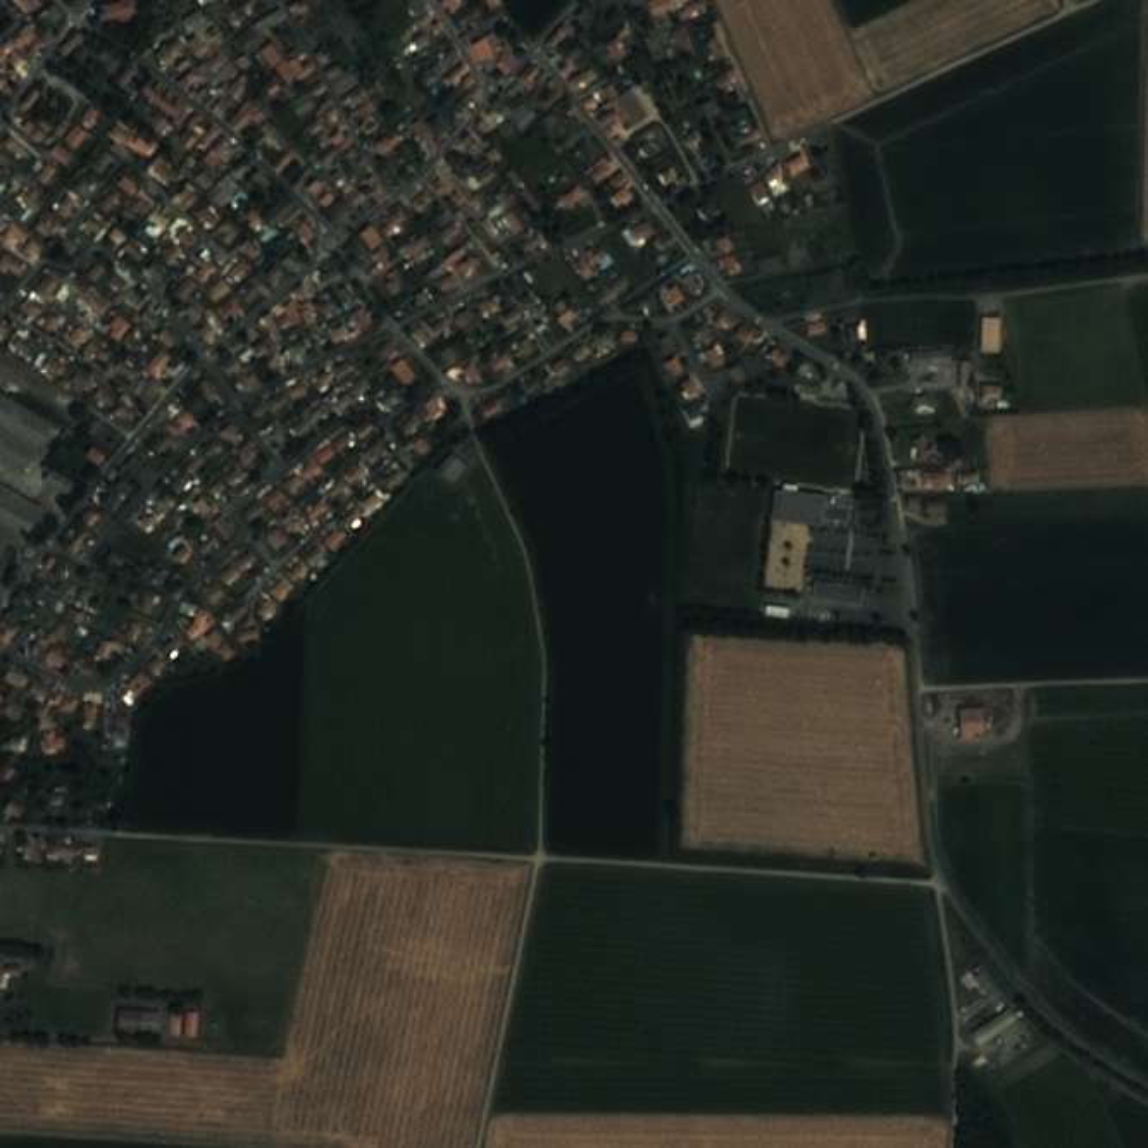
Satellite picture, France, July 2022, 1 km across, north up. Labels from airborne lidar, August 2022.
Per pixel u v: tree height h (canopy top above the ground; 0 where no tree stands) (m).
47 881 0
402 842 0
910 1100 0
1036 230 0
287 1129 0
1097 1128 0
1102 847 0
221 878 0
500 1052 0
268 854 0
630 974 0
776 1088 0
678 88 5
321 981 0
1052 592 0
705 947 0
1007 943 0
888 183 0
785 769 0
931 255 0
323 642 0
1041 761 0
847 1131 0
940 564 0
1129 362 0
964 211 0
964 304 0
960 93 0
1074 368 0
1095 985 0
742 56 0
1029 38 0
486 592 0
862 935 0
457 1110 0
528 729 0
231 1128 0
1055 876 0
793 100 0
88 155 11
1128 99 0
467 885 0
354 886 0
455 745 0
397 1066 0
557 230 10
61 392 0
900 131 0
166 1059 0
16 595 8
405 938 0
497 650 0
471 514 0
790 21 0
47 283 0
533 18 0
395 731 0
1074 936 0
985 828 0
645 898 0
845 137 0
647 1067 0
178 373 0
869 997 0
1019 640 0
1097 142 0
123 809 7
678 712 0
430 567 0
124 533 0
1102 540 0
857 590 0
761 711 0
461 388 0
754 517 0
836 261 0
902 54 0
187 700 0
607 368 9
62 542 8
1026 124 0
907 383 0
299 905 0
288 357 0
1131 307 0
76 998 0
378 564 0
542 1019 0
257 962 0
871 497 14
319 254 0
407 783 0
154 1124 0
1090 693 0
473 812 0
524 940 0
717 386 0
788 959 0
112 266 12
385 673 0
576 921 0
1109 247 0
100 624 0
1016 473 0
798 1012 0
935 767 0
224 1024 0
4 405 0
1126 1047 0
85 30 9
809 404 0
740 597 0
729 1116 0
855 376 0
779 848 0
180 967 0
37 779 7
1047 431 0
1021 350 0
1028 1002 10
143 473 0
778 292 0
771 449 0
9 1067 0
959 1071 7
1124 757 0
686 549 0
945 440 11
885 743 0
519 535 0
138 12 11
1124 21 0
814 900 0
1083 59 0
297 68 0
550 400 13
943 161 0
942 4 0
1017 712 0
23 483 0
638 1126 0
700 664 0
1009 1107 0
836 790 0
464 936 0
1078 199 0
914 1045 0
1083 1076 0
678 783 0
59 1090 0
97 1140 0
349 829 0
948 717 0
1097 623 0
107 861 0
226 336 0
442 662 0
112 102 16
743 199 0
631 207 7
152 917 0
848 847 0
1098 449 0
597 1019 0
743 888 0
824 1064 0
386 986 0
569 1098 0
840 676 0
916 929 0
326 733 0
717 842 0
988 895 0
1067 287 0
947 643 0
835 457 0
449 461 0
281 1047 0
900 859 0
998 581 0
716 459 25
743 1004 0
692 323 7
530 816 0
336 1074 0
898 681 0
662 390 8
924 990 0
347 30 0
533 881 0
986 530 0
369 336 0
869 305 0
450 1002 0
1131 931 0
